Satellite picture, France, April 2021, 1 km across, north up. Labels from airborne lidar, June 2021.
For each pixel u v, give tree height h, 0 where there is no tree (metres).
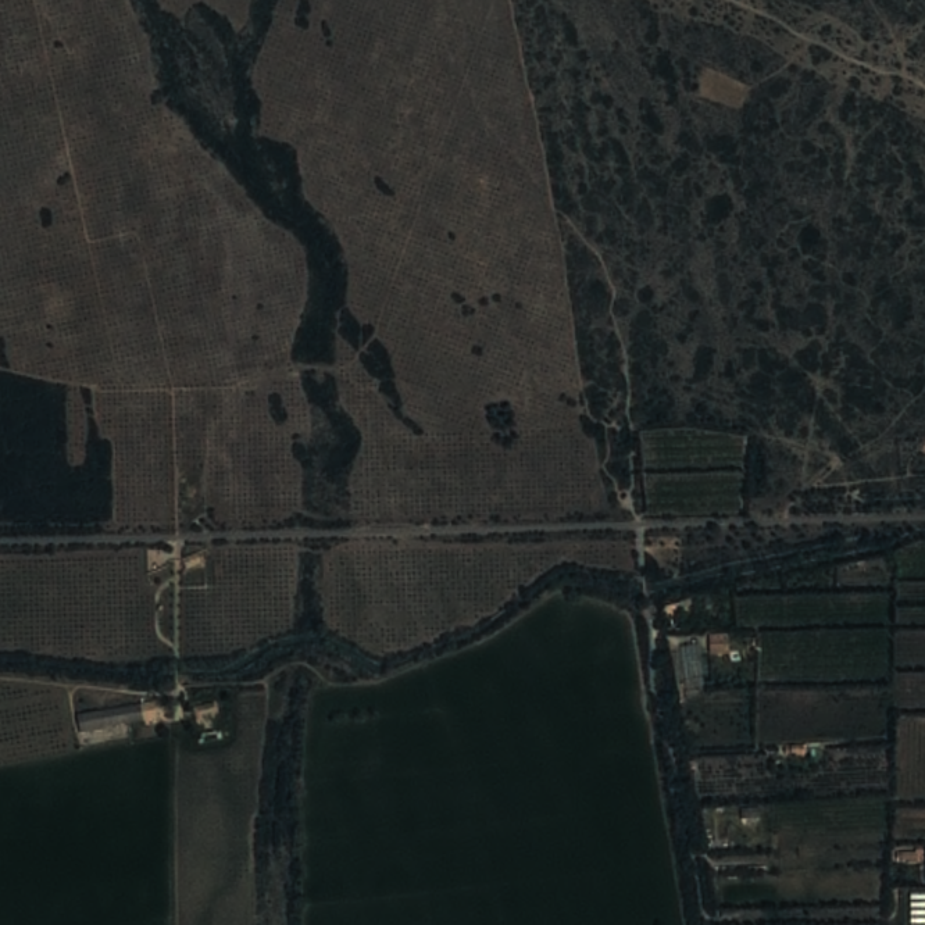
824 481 0
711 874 8
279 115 0
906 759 0
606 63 0
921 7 0
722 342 0
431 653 9
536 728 0
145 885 0
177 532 0
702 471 9
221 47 0
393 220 0
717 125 0
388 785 0
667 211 0
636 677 0
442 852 0
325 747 0
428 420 0
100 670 8
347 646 6
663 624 11
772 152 0
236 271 0
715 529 14
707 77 0
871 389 0
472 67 0
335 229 0
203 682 16
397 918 0
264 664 7
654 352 0
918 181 0
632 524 0
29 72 0
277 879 0
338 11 0
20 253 0
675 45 0
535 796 0
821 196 0
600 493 0
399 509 0
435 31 0
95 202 0
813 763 12
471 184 0
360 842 0
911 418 0
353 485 0
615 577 7
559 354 0
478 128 0
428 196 0
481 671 0
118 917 0
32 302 0
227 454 0
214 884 0
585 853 0
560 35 0
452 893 0
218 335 0
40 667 7
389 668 12
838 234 0
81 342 0
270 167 0
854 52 0
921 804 10
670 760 13
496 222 0
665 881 0
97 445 6
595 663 0
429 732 0
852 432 0
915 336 0
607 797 0
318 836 0
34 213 0
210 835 0
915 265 0
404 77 0
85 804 0
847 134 0
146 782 0
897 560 13
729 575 11
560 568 7
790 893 0
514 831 0
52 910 0
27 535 6
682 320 0
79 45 0
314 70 0
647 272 0
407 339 0
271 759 7
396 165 0
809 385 0
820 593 13
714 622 7
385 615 0
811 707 0
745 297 0
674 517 6
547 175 0
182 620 5
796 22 0
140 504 0
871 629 12
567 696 0
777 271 0
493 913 0
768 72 0
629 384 0
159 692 13
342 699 0
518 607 10
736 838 0
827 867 0
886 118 0
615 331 0
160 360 0
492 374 0
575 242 0
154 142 0
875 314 0
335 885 0
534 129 0
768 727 0
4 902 0
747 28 0
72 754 0
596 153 0
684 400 0
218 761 0
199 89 0
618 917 0
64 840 0
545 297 0
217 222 0
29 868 0
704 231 0
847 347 0
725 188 0
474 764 0
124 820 0
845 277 0
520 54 0
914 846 6
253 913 0
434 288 0
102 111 0
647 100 0
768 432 0
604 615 0
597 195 0
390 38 0
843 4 0
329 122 0
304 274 0
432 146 0
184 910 0
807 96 0
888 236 0
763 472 9
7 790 0
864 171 0
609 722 0
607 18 0
